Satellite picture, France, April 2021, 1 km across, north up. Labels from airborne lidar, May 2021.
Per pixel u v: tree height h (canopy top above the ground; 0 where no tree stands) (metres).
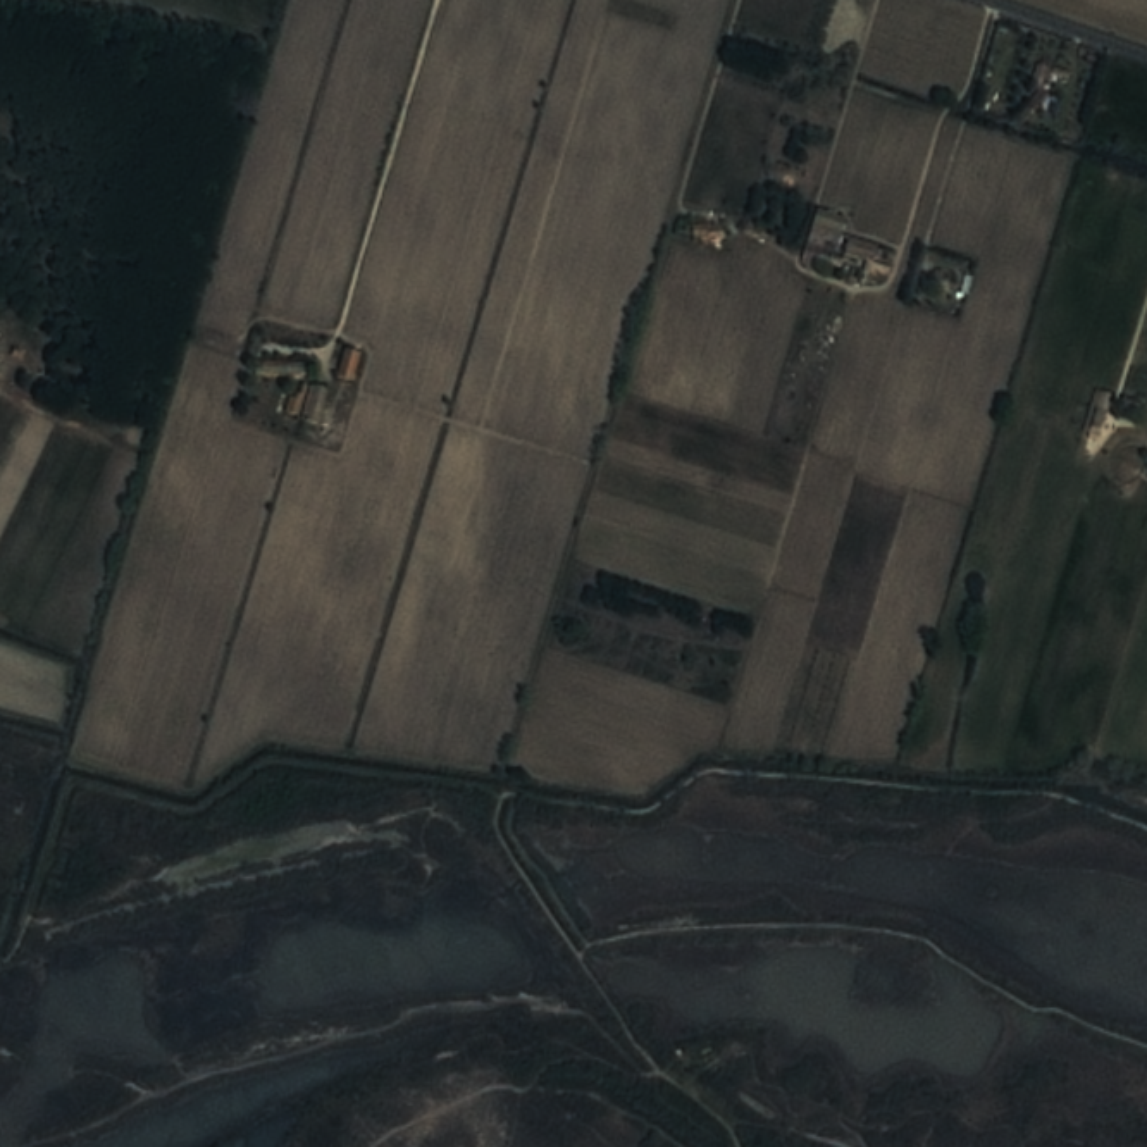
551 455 0
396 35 0
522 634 0
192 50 20
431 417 0
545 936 0
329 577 0
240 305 0
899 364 0
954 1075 0
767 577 0
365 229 0
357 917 0
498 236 0
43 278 11
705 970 0
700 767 6
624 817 7
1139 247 0
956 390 0
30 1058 0
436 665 0
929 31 0
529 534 0
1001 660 0
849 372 0
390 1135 0
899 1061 0
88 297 15
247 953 0
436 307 0
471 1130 0
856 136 0
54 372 12
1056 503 0
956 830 0
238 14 0
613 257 0
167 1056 0
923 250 13
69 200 15
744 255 0
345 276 0
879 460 0
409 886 0
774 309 0
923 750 0
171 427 0
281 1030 0
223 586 0
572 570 0
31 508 0
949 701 0
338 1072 0
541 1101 0
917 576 0
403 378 0
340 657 0
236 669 0
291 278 0
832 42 0
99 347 16
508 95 0
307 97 0
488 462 0
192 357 0
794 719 0
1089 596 0
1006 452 0
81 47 20
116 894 0
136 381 17
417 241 0
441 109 0
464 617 0
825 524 0
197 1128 0
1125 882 0
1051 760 0
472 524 0
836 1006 0
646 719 0
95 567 0
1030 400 0
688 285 0
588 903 0
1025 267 0
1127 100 0
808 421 0
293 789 6
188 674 0
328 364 0
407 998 0
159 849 0
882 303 0
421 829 0
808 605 0
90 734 0
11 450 0
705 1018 0
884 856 0
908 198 0
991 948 0
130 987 0
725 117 0
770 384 0
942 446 0
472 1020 0
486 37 0
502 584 0
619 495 0
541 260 0
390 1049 0
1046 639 0
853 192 0
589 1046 0
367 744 0
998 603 0
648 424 0
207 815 5
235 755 0
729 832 0
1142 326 0
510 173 0
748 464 0
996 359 0
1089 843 0
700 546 0
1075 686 0
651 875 0
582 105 0
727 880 0
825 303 0
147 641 0
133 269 14
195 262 17
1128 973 0
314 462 0
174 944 0
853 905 0
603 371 0
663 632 0
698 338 0
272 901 0
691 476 0
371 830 0
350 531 0
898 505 0
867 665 0
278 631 0
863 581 0
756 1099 0
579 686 0
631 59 0
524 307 0
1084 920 0
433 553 0
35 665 0
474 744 0
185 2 0
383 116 0
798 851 0
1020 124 6
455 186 0
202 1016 0
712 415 0
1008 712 0
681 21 0
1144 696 0
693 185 0
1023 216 0
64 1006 0
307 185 0
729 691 0
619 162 0
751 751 0
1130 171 6
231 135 19
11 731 0
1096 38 0
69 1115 0
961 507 0
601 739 0
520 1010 0
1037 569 0
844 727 0
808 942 0
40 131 13
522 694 12
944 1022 0
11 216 12
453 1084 0
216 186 20
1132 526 0
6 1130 0
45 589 0
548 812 6
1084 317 0
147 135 17
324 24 0
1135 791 6
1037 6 0
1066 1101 0
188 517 0
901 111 0
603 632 0
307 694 0
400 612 0
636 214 0
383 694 0
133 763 0
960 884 0
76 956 0
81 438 0
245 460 0
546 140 0
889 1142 0
